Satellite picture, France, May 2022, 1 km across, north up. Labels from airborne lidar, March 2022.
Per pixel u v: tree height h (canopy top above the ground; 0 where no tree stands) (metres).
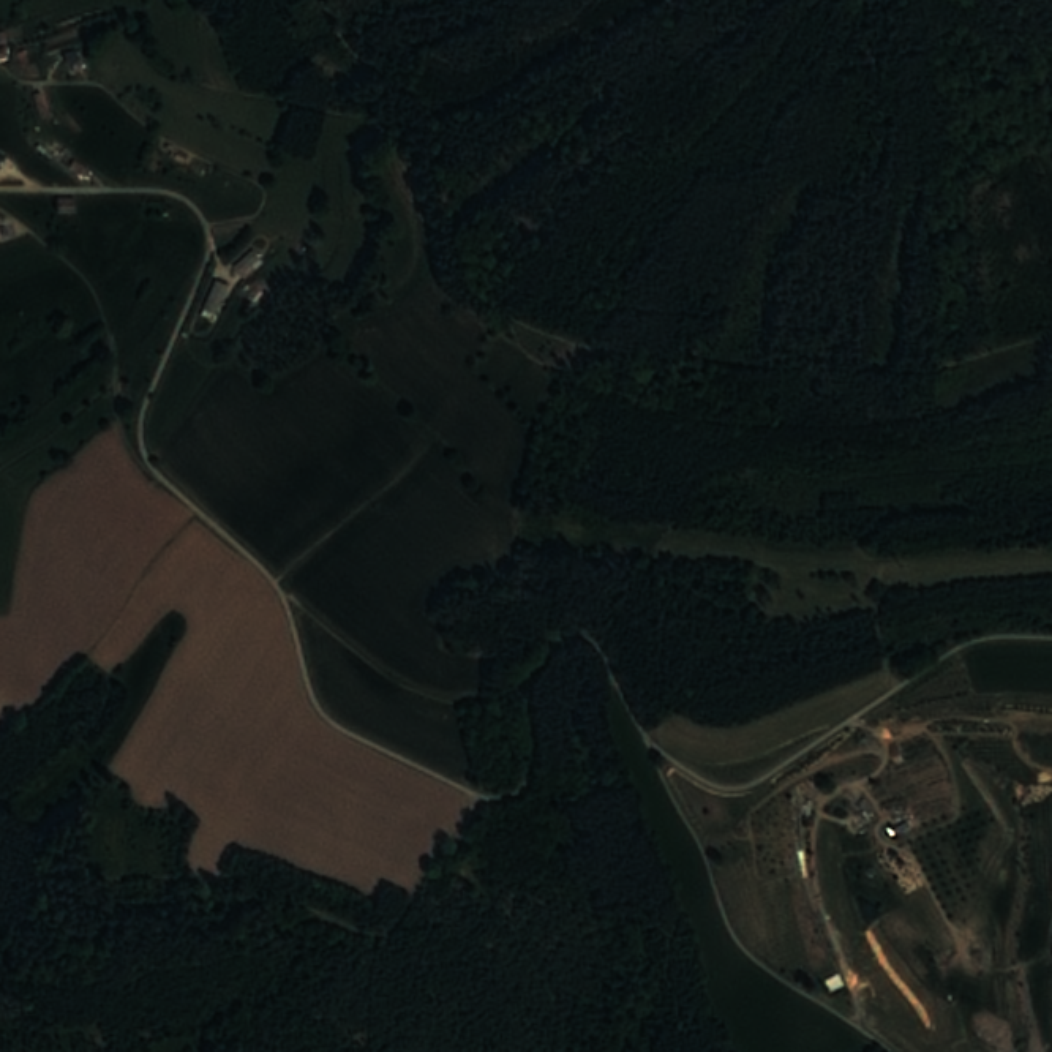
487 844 15
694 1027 12
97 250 0
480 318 22
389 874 0
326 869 0
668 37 20
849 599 0
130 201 0
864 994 0
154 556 0
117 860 0
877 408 26
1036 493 7
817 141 19
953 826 0
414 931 13
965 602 6
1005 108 29
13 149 0
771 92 16
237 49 10
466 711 14
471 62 24
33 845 25
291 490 0
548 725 30
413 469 0
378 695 0
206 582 0
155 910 16
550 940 11
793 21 20
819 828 0
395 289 0
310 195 0
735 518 7
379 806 0
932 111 22
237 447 0
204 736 0
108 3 0
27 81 0
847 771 0
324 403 0
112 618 0
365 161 31
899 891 0
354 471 0
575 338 10
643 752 0
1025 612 6
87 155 0
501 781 16
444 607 25
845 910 0
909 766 0
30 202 0
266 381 18
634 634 17
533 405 0
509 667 28
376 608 0
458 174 26
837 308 25
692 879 0
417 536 0
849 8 16
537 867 13
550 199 26
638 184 12
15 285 0
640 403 22
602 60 26
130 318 0
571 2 26
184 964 16
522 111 28
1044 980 0
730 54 25
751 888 0
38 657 0
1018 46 25
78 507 0
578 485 27
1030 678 0
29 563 0
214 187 0
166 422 0
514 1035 11
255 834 0
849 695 0
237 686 0
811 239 24
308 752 0
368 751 0
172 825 6
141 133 0
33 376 0
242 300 0
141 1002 10
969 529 19
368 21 6
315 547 0
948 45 19
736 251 24
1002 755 0
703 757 0
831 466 10
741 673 20
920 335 24
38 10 0
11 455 0
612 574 34
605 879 28
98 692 22
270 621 0
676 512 16
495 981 10
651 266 25
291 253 0
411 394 0
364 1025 10
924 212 25
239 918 30
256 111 0
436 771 0
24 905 23
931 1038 0
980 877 0
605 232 15
